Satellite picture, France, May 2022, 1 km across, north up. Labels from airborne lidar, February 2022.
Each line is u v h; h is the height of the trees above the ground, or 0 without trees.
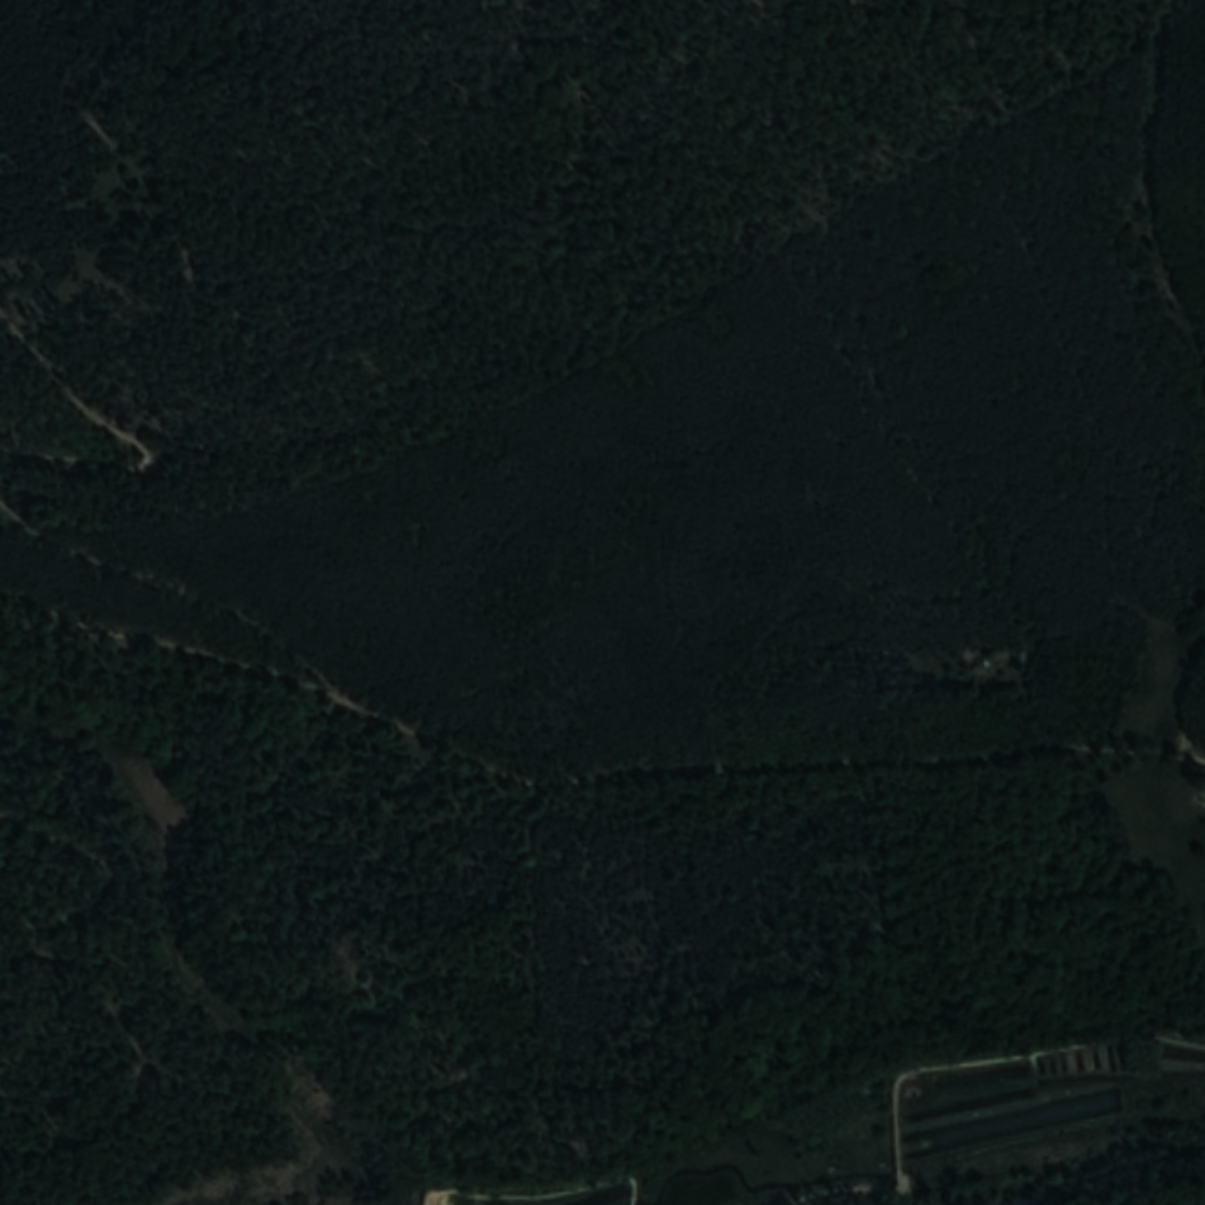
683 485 22
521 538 20
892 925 27
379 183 24
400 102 19
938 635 22
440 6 25
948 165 12
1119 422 13
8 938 29
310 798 11
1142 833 0
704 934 12
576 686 15
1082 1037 20
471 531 20
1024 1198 15
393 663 20
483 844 8
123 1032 22
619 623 19
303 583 19
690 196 27
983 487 13
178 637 20
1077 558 12
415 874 9
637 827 9
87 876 27
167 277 20
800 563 22
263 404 27
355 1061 27
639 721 22
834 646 20
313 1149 0
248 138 26
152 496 22
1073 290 14
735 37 23
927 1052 25
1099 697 14
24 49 13
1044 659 11
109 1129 28
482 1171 22
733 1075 31
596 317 24
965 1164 0
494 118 25
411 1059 27
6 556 20
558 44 22
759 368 19
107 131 24
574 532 20
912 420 9
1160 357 17
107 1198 25
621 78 22
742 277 17
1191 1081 0
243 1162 27
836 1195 26
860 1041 26
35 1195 30
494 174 21
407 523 15
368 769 9
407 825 18
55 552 20
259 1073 25
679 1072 27
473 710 17
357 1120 30
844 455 21
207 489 23
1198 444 17
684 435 21
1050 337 13
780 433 21
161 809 0
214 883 32
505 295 26
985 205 11
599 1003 10
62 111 10
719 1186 0
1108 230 14
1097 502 14
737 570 20
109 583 19
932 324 13
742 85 26
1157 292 22
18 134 10
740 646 18
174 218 25
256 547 19
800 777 23
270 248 26
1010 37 30
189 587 17
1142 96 15
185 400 27
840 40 26
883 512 21
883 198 11
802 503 22
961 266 11
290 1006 29
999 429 13
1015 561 12
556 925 8
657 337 20
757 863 10
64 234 9
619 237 26
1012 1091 0
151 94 24
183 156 27
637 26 25
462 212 27
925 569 22
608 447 19
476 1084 9
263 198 18
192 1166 24
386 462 19
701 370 20
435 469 21
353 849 9
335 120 20
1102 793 0
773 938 10
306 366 25
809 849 8
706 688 15
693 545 20
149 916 29
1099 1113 0
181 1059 30
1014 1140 0
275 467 26
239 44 25
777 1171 0
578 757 20
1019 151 15
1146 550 10
